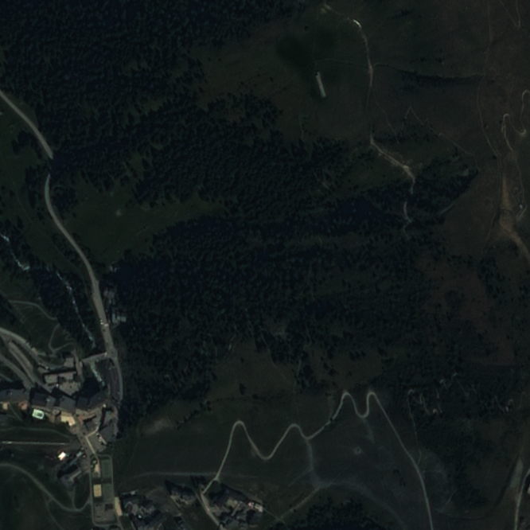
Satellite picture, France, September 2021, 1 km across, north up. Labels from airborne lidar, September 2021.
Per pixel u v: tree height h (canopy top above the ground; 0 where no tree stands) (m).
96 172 22
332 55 0
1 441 0
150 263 8
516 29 0
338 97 0
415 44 0
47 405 0
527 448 0
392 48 0
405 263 8
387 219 7
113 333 0
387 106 0
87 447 0
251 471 0
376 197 7
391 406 0
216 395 0
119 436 9
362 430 0
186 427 0
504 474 0
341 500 0
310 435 0
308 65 0
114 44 23
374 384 6
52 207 0
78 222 0
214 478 0
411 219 9
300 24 0
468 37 0
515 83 0
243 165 27
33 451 0
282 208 10
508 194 0
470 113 0
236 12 7
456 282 0
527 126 0
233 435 0
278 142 10
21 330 0
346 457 0
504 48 0
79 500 0
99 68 19
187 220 0
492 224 0
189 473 0
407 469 0
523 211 0
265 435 0
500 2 0
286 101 0
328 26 0
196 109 11
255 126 8
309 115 0
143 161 0
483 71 0
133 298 23
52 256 0
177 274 9
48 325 0
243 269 9
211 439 0
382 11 0
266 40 0
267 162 23
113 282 8
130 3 10
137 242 0
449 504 0
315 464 0
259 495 0
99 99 22
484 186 0
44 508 0
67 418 0
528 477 0
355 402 0
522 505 0
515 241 0
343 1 0
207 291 14
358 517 8
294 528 7
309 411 0
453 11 0
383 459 0
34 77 24
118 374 0
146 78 10
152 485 0
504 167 0
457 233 0
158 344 11
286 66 0
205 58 0
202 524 0
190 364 6
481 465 0
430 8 0
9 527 0
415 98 0
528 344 0
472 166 0
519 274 0
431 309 0
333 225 6
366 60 0
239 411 0
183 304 14
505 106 0
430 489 0
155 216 0
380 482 0
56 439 0
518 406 0
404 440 0
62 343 0
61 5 12
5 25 18
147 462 0
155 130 27
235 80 0
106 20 8
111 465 0
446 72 0
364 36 0
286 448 0
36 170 8
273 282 10
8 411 0
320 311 6
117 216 0
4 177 0
